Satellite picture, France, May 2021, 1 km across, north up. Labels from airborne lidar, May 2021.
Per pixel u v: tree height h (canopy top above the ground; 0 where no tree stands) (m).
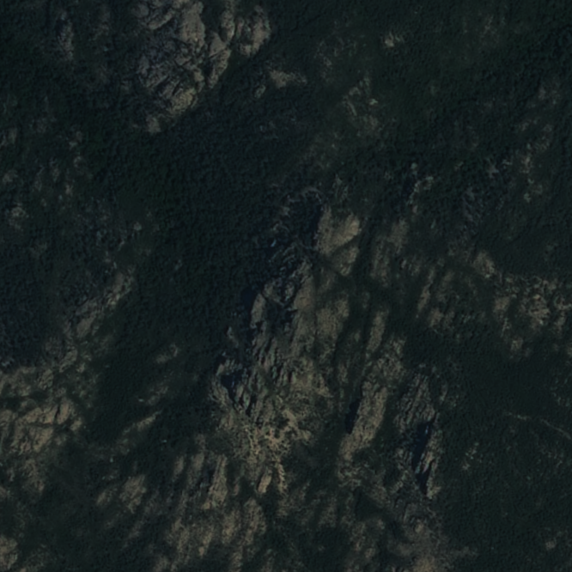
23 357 14
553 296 10
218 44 0
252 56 13
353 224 0
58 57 14
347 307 0
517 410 6
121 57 15
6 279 9
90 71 19
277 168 14
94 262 7
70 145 8
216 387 0
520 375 9
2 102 11
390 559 10
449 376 14
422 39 15
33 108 6
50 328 17
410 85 12
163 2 0
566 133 13
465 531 11
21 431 0
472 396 15
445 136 7
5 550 0
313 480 6
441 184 16
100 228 16
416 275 0
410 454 7
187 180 22
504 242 12
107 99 18
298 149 8
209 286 8
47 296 16
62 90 6
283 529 8
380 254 0
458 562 8
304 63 7
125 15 15
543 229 15
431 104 8
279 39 13
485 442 11
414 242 7
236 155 10
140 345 8
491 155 10
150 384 9
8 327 11
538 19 8
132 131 20
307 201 12
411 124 17
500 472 13
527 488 10
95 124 12
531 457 8
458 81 13
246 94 10
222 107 10
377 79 6
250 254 18
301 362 14
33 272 11
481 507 12
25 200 8
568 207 15
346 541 7
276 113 12
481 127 12
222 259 24
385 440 6
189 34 0
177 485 8
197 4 0
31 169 5
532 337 0
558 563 9
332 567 8
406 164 15
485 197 12
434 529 8
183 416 15
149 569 9
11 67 9
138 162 14
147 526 8
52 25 18
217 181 13
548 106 9
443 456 12
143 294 18
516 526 12
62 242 16
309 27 12
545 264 11
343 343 10
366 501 13
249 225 14
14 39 9
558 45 8
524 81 17
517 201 10
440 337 13
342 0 11
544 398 7
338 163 7
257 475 0
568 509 8
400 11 16
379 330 0
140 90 17
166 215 21
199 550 0
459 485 6
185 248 13
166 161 18
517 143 7
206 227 18
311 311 0
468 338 11
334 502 0
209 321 17
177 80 7
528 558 6
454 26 11
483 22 13
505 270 6
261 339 0
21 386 0
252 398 6
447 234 11
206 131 18
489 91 10
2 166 11
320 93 6
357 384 0
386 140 10
